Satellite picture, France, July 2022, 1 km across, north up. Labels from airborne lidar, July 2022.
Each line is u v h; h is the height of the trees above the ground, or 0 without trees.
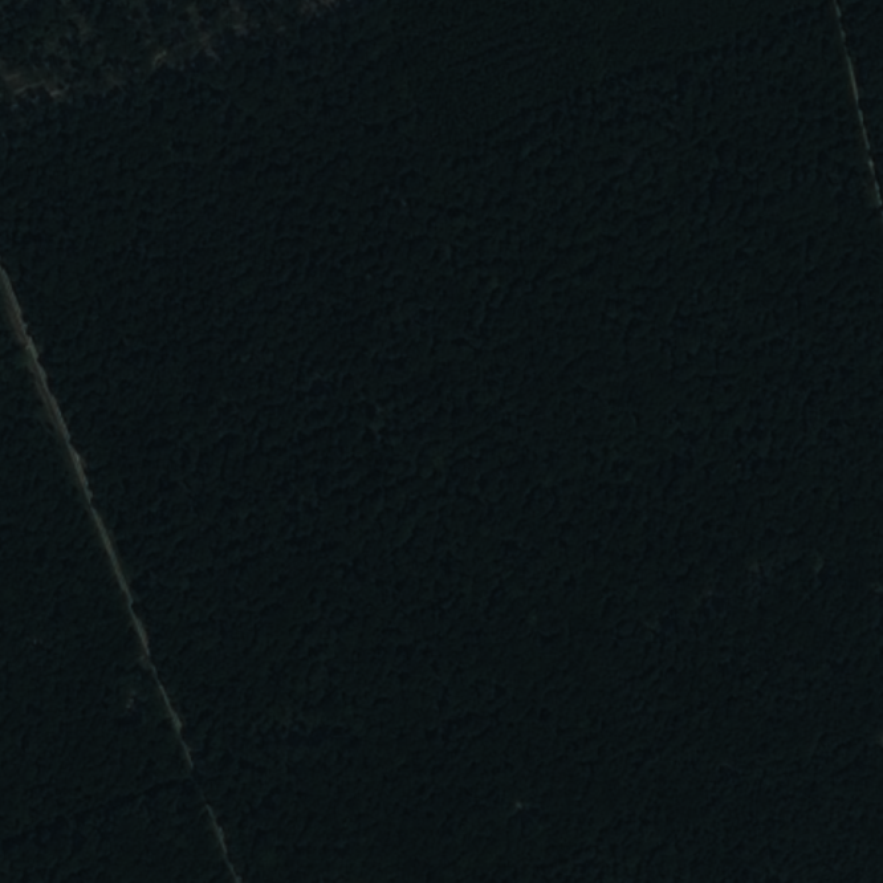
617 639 26
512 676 28
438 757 22
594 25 17
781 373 27
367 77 28
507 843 26
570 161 23
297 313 20
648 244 25
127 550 23
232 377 21
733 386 23
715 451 31
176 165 18
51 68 26
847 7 12
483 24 14
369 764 32
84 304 20
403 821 26
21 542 20
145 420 22
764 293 25
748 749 21
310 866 27
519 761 27
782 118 23
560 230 25
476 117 19
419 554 23
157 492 25
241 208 18
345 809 25
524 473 21
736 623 24
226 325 23
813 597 25
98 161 21
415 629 25
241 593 28
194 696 25
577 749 23
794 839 23
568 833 19
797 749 15
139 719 25
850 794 22
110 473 23
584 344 22
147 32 23
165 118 25
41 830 25
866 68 25
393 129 28
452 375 20
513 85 16
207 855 23
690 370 28
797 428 28
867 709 24
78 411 26
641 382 29
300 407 28
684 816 17
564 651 27
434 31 19
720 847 17
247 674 19
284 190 16
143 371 23
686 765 24
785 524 25
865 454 24
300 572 27
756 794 19
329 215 26
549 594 26
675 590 28
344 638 24
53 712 23
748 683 26
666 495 26
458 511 27
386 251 25
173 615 26
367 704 26
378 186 26
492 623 26
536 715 23
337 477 26
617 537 25
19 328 0
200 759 24
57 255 22
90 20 25
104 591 24
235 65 27
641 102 20
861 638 20
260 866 26
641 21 11
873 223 19
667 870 24
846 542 24
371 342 24
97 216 24
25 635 21
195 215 24
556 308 26
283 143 27
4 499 23
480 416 23
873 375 22
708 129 21
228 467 23
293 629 25
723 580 27
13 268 27
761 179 28
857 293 22
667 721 26
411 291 16
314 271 26
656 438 27
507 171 22
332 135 23
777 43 25
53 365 25
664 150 27
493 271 21
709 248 26
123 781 24
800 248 26
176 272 22
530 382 29
